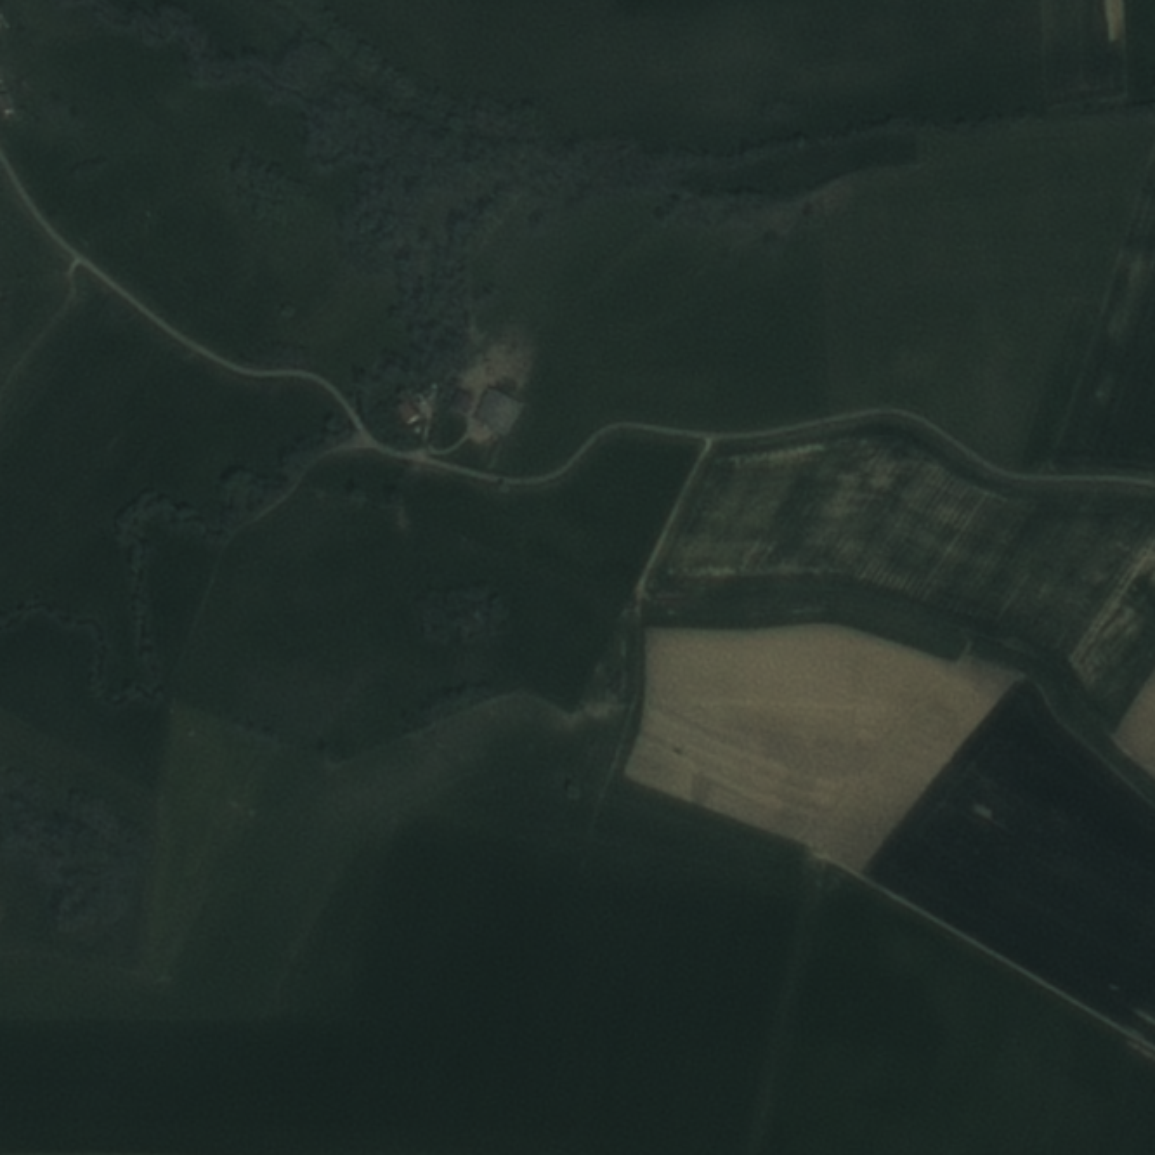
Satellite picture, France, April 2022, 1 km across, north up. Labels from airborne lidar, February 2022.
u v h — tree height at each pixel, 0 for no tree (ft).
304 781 0
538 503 0
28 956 0
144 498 23
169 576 0
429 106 21
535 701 0
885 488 0
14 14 0
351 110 70
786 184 0
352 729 0
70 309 0
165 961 0
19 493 0
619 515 0
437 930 0
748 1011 0
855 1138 0
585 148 82
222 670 0
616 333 0
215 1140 0
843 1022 0
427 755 0
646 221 0
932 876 0
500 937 0
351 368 0
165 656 0
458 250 62
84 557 0
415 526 0
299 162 0
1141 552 0
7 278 0
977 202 0
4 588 0
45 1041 0
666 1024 0
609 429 0
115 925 0
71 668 0
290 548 0
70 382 0
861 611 0
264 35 0
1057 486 0
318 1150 0
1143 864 0
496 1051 0
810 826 0
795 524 0
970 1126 0
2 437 0
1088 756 0
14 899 0
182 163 0
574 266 0
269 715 0
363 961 0
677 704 0
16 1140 0
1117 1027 0
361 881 0
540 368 0
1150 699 0
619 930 0
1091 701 0
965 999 0
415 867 0
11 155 0
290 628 0
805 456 0
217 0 0
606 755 0
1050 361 0
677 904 0
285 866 0
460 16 0
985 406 0
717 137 0
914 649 0
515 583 0
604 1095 0
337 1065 0
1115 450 0
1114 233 0
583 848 0
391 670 0
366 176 59
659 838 0
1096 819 0
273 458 0
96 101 0
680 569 0
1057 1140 0
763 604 0
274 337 0
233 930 0
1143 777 0
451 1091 0
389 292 0
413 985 0
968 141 0
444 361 70
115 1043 0
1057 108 0
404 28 0
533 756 0
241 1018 0
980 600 0
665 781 0
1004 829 0
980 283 0
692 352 0
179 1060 0
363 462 0
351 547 0
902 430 0
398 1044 0
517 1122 0
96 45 0
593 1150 0
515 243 0
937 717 0
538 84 0
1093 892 0
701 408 0
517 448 0
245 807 0
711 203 38
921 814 0
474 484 0
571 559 0
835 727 0
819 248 0
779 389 0
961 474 0
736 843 0
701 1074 0
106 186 0
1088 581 0
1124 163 0
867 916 0
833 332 0
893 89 0
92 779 0
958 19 0
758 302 0
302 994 0
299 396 0
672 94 0
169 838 0
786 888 0
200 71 64
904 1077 0
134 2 0
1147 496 0
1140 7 0
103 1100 0
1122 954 0
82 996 0
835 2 0
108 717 0
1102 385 0
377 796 0
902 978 0
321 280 0
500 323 0
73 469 0
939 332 0
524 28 0
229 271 0
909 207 0
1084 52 0
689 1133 0
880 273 0
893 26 0
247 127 0
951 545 0
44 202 0
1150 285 0
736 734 0
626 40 0
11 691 0
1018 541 0
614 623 0
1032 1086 0
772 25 0
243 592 0
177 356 0
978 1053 0
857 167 0
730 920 0
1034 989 0
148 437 0
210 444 0
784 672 0
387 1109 0
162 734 0
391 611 0
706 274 0
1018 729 0
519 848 0
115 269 0
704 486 0
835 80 0
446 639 39
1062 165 0
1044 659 0
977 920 0
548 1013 0
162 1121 0
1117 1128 0
